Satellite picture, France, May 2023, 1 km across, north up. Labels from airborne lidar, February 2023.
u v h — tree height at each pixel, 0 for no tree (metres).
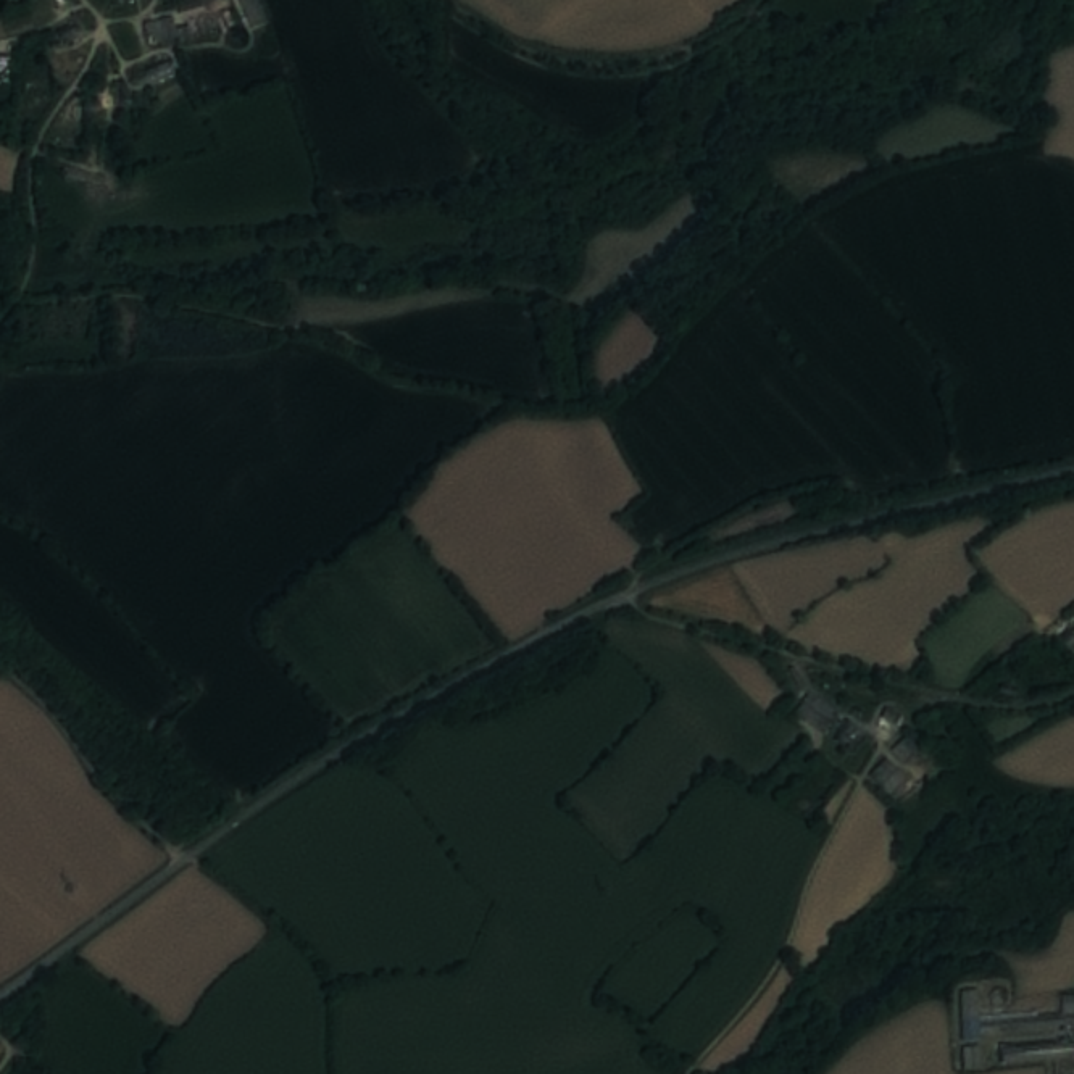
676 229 0
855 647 0
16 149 11
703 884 0
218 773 0
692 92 20
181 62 12
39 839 0
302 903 0
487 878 0
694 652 0
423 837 0
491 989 0
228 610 0
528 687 19
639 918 0
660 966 0
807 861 0
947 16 10
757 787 15
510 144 21
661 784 0
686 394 0
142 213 0
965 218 0
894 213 0
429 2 8
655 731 0
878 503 8
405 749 16
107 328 14
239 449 0
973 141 0
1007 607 0
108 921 0
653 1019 8
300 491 0
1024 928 9
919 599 0
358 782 0
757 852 0
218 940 0
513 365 0
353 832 0
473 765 0
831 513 15
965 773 0
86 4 0
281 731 0
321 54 0
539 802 0
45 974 16
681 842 0
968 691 7
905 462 0
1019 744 8
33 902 0
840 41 15
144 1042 0
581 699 0
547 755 0
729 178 21
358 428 0
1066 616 8
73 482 0
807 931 0
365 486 0
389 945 0
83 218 0
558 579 0
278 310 24
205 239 15
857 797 0
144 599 0
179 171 0
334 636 0
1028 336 0
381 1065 0
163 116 0
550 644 13
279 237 19
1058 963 0
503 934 0
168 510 0
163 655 0
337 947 0
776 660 9
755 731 0
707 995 0
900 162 14
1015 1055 0
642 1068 0
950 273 0
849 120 24
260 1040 0
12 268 12
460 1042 0
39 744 0
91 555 0
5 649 21
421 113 0
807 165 0
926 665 10
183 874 0
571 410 10
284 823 0
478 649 0
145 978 0
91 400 0
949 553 0
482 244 11
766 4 8
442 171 0
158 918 0
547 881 0
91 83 12
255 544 0
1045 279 0
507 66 0
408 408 0
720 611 0
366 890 0
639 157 13
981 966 8
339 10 0
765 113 11
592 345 16
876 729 0
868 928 11
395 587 0
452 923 0
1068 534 0
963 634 0
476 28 10
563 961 0
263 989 0
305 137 6
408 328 0
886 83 8
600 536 0
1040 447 0
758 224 9
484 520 0
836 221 0
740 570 0
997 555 0
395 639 0
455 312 0
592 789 0
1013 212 0
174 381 0
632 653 0
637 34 0
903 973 16
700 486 0
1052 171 0
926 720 12
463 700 15
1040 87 14
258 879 0
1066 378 0
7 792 0
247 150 0
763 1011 0
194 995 0
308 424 0
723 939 11
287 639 0
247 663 0
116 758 19
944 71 0
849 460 0
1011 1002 0
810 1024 15
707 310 7
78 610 0
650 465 0
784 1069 11
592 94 0
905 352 0
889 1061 0
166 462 0
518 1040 0
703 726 0
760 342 0
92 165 0
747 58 19
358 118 0
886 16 18
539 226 7
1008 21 8
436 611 0
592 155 6
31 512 0
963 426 0
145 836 11
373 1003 0
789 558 0
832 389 0
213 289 21
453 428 0
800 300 0
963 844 18
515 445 0
